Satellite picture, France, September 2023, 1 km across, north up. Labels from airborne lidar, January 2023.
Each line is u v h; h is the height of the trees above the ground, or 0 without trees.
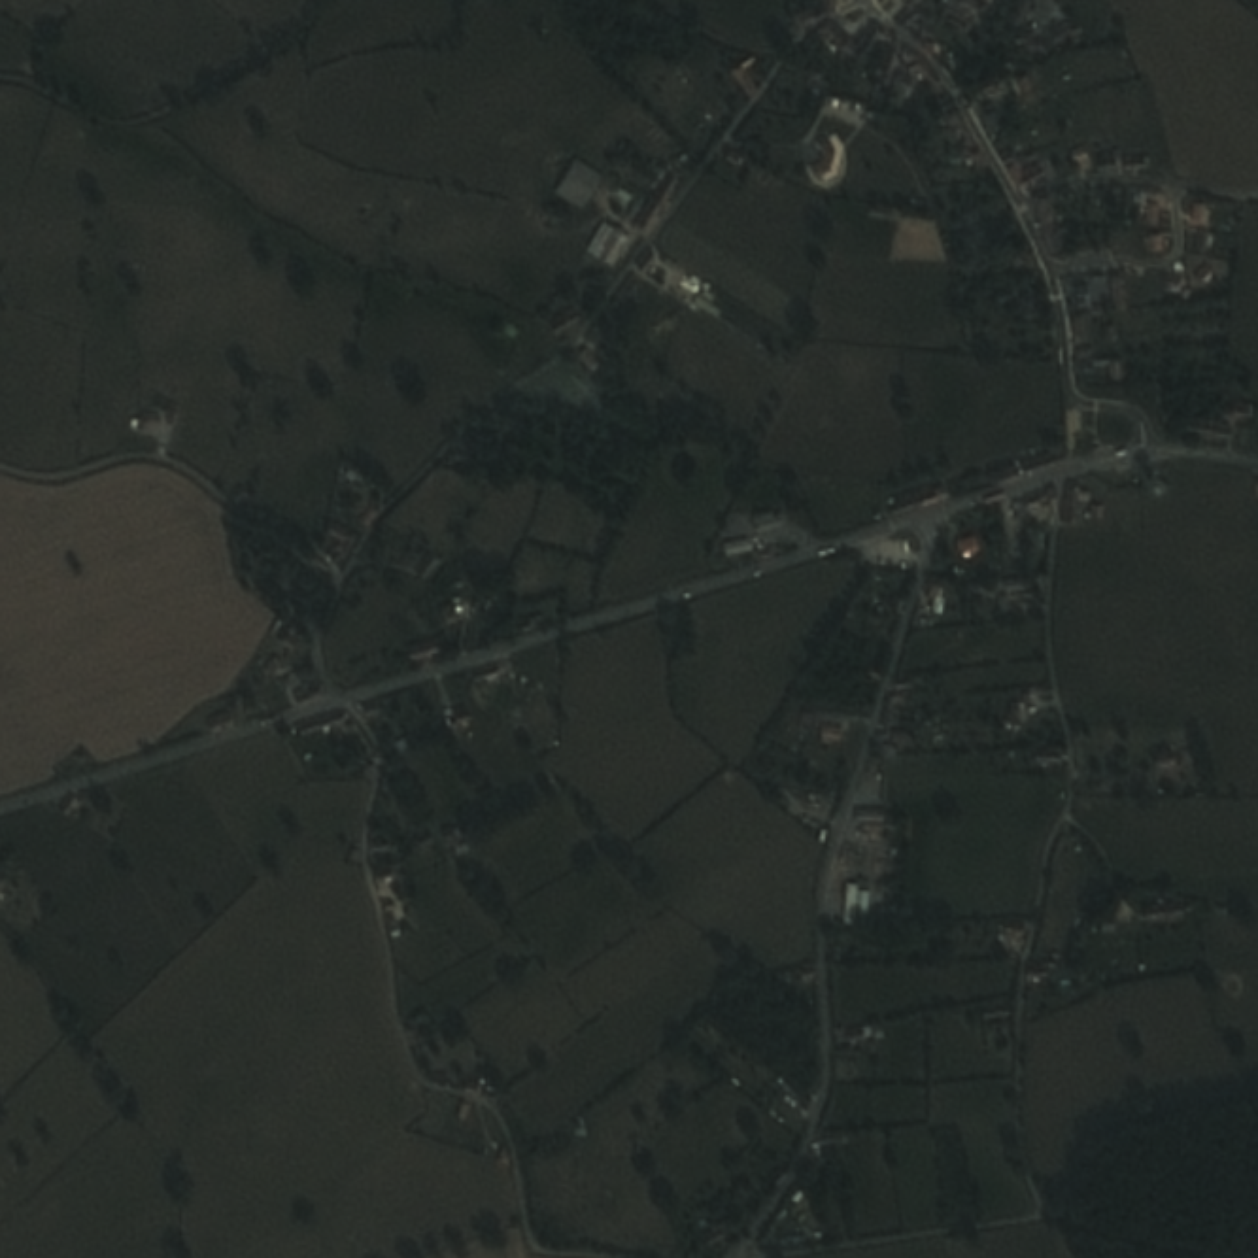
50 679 0
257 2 0
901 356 0
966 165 0
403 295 0
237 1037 0
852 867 0
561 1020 0
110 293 0
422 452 0
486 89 0
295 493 0
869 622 0
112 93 0
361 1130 0
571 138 0
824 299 0
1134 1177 25
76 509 0
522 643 0
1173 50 0
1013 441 0
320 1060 0
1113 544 0
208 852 0
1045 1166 0
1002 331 0
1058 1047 0
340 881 0
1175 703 0
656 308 0
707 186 0
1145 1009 0
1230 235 0
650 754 0
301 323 0
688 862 0
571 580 0
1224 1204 23
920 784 0
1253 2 16
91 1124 0
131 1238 0
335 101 0
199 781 0
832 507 0
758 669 0
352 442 0
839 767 6
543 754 0
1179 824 0
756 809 0
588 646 0
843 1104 0
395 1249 0
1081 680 0
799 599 0
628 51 15
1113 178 0
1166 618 0
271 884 0
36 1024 0
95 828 0
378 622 0
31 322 0
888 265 0
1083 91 0
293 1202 0
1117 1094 0
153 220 0
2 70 0
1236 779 0
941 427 0
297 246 0
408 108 0
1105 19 0
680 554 0
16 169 0
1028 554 12
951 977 0
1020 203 0
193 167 0
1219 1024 0
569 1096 0
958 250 10
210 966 0
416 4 0
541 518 0
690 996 0
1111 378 7
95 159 0
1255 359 0
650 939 0
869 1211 0
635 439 32
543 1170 0
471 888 16
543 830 0
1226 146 0
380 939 0
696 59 0
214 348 0
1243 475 0
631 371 0
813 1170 12
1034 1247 0
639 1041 0
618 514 12
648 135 0
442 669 0
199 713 0
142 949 0
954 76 6
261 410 0
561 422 13
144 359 0
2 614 0
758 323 0
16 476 0
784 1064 7
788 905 0
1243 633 0
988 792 0
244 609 0
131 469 0
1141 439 0
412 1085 0
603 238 0
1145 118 0
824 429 0
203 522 0
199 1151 0
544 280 0
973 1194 11
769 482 0
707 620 0
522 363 0
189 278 0
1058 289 0
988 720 8
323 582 12
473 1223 0
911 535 0
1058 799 0
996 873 0
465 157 0
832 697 0
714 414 15
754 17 0
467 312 0
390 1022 0
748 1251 0
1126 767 8
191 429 0
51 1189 0
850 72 13
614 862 17
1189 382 8
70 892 0
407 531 0
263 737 0
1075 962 13
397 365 0
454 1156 0
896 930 19
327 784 0
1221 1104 21
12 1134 0
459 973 0
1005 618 13
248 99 0
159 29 0
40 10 0
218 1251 0
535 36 11
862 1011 0
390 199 0
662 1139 0
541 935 0
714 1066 10
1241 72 0
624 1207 0
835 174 0
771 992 14
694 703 0
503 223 0
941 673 7
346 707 0
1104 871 7
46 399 0
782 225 0
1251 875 0
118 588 0
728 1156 11
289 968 0
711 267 0
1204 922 0
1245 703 0
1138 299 0
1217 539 0
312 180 0
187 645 0
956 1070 0
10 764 0
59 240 0
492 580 19
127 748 0
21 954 14
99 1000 0
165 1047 0
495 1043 0
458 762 14
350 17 0
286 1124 0
